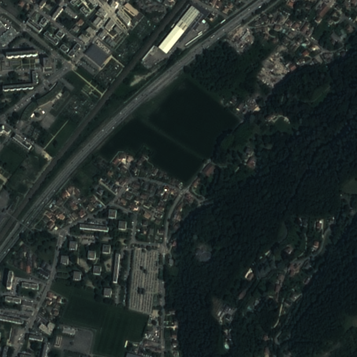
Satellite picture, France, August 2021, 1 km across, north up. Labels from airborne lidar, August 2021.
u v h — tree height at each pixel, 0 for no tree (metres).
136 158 7
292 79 21
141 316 0
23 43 6
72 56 0
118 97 6
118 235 9
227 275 16
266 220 24
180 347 10
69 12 0
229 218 17
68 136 0
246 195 25
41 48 13
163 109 0
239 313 9
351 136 31
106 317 0
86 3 0
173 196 9
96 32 0
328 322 17
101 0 0
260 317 19
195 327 20
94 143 0
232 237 18
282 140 20
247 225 25
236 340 17
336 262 20
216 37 0
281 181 21
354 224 12
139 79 0
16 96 18
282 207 22
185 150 0
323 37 14
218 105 0
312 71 21
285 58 10
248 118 25
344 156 27
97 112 0
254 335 6
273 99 23
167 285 11
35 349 18
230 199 23
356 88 30
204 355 22
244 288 8
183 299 19
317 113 18
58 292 0
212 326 7
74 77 0
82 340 0
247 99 0
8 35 0
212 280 17
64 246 9
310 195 15
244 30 0
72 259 20
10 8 0
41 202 0
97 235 9
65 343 0
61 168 0
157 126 0
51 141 0
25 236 9
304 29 0
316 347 13
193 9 0
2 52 6
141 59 7
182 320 21
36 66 0
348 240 28
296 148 30
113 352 0
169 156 0
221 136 0
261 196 21
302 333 15
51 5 6
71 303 0
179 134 0
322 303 21
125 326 0
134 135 0
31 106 0
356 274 27
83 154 0
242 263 23
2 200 0
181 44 0
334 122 30
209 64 18
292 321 11
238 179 17
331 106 29
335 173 28
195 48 0
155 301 0
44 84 0
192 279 19
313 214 19
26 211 0
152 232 0
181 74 0
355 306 23
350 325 0
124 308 8
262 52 9
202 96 0
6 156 0
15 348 0
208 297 11
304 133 19
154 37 0
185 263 7
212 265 11
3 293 0
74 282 7
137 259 0
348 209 12
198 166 0
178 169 0
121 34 0
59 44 8
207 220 19
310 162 24
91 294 0
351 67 29
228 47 18
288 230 10
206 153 0
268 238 25
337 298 27
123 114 0
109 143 0
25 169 13
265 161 24
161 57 0
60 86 0
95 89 0
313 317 24
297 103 16
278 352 15
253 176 0
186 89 0
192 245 10
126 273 0
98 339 0
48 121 0
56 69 0
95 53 0
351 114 24
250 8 0
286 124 0
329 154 23
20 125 0
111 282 8
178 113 0
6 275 0
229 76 14
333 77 17
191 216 14
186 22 0
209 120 0
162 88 0
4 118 0
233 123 0
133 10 0
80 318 0
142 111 0
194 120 0
